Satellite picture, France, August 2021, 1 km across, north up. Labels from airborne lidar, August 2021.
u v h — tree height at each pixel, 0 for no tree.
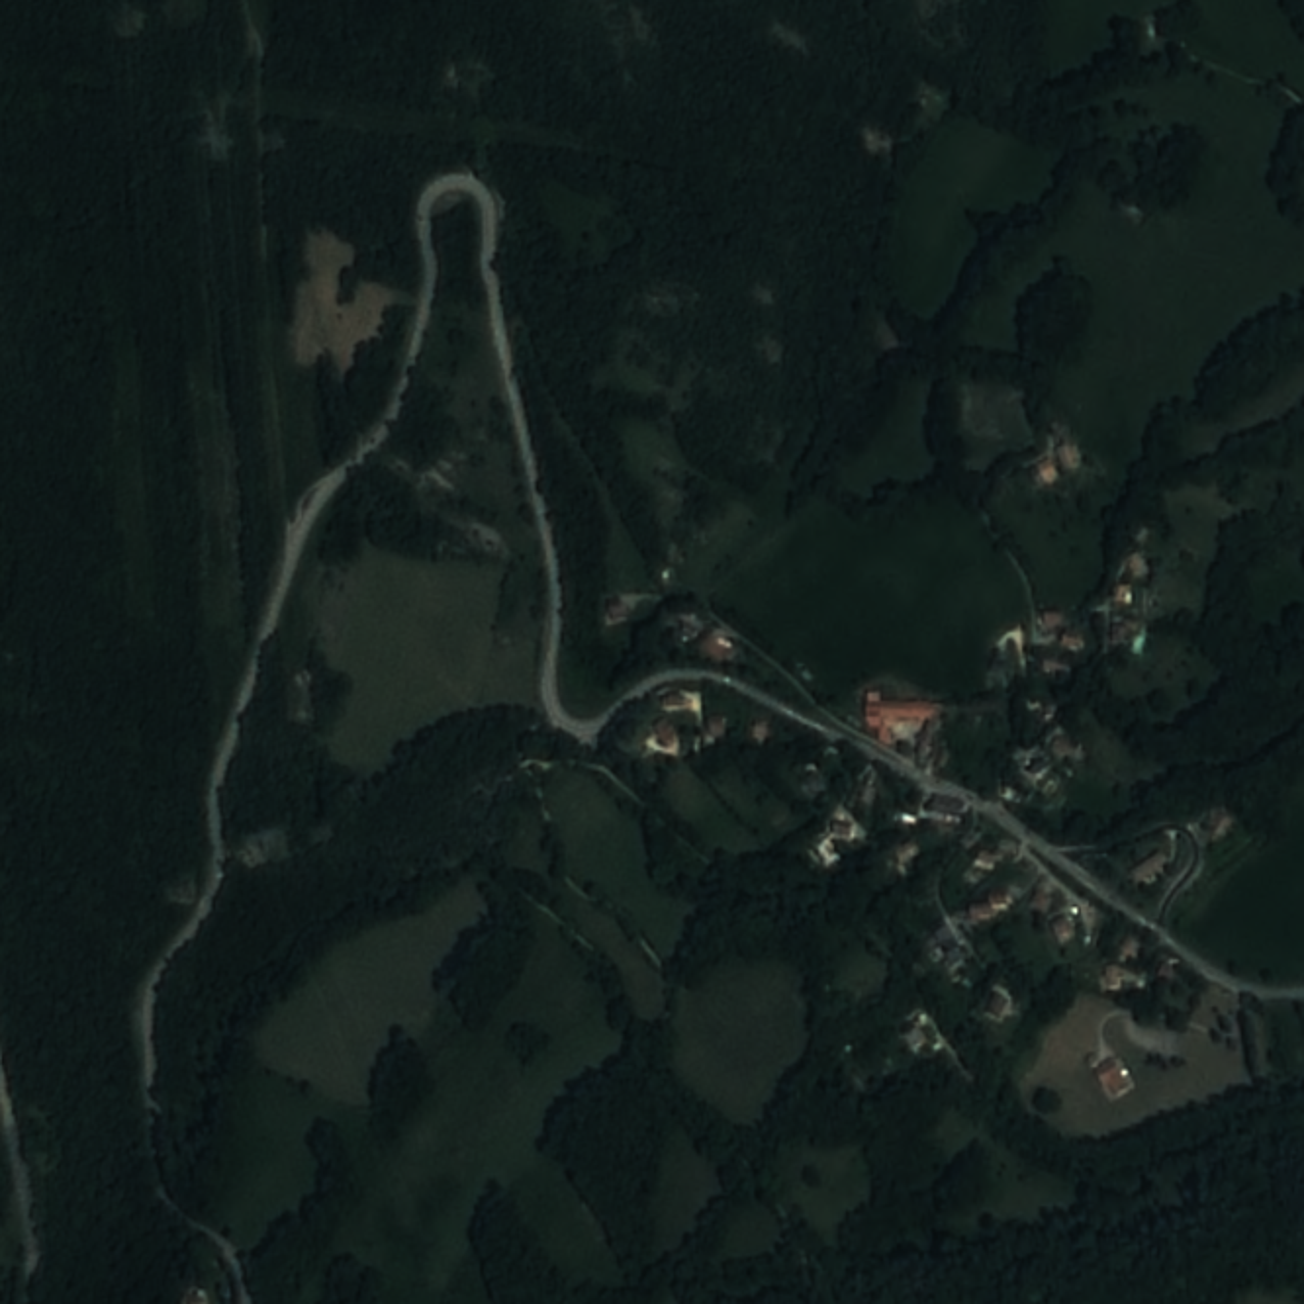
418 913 12
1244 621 22
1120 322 0
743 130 9
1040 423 14
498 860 13
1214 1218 21
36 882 17
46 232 19
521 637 0
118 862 24
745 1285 9
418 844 10
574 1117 19
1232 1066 0
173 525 8
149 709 10
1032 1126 25
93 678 18
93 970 6
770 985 0
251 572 13
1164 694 14
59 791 9
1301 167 15
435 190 0
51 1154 7
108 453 14
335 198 11
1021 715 13
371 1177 0
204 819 17
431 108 13
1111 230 0
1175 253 0
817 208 16
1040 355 17
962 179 0
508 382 0
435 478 0
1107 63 23
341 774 9
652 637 19
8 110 20
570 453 21
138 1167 21
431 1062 7
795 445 11
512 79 12
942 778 0
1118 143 7
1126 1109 0
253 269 12
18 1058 15
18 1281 13
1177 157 20
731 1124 19
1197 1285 17
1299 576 0
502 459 0
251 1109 0
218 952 12
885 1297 23
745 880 17
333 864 13
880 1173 12
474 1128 0
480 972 21
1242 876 0
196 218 12
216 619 0
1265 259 0
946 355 18
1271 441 17
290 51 25
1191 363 0
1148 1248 20
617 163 17
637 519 15
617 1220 25
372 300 0
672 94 12
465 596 0
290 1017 0
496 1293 15
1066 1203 0
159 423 7
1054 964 0
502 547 0
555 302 15
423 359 8
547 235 15
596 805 0
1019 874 0
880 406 20
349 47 22
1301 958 0
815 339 16
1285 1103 20
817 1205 0
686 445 10
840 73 10
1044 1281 20
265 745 9
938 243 0
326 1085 0
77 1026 17
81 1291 29
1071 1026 0
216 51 12
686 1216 0
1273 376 15
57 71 17
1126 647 8
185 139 8
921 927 0
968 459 8
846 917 16
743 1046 0
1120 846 10
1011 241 22
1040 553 0
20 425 18
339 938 19
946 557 0
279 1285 20
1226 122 0
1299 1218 19
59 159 19
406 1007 0
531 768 15
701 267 10
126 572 16
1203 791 19
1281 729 12
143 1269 21
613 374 0
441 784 9
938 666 0
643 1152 18
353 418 11
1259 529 17
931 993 8
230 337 13
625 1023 18
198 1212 22
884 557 0
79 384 18
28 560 16
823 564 0
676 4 11
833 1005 10
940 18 6
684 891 15
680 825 12
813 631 0
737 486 11
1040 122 21
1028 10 16
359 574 0
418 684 0
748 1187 14
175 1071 20
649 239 17
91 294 10
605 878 0
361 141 6
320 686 13
